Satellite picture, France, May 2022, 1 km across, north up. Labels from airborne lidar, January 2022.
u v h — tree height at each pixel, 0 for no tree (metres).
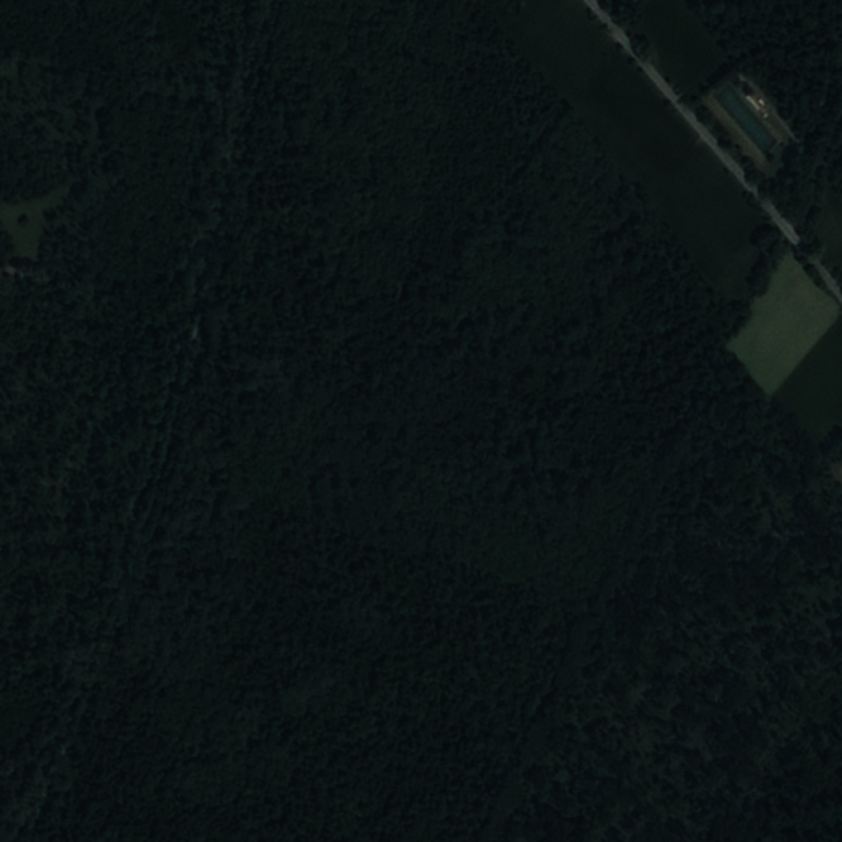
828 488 32
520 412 17
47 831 18
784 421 35
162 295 17
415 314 15
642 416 19
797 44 0
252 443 21
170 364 23
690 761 39
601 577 35
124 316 16
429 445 17
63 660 29
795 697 42
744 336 0
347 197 25
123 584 36
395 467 11
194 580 29
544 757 31
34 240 0
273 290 17
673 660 38
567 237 23
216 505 24
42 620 33
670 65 0
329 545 26
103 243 23
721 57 0
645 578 42
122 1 22
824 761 34
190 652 28
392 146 16
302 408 27
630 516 34
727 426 32
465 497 22
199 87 34
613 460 20
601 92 0
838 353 0
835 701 12
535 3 0
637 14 10
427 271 32
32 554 31
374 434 35
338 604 26
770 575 20
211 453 32
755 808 40
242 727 23
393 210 13
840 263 0
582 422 15
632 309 11
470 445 34
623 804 32
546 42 0
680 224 0
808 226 17
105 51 22
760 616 24
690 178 0
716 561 42
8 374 21
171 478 33
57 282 25
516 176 17
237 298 31
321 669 25
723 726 41
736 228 0
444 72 16
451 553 24
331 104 26
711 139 0
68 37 21
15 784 10
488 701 26
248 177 14
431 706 18
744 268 0
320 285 12
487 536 25
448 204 9
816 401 0
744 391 28
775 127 0
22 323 21
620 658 40
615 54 0
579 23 0
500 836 22
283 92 22
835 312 0
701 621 35
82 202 25
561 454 19
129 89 30
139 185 22
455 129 14
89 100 32
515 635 24
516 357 36
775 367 0
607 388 10
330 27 25
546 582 24
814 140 22
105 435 30
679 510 27
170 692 22
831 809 31
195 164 34
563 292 25
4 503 32
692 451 29
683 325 16
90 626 23
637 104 0
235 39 18
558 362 35
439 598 26
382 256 14
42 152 25
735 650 33
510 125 15
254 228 25
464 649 24
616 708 38
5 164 24
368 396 34
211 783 23
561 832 28
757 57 15
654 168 0
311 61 25
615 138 0
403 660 20
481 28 14
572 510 37
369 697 25
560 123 19
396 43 16
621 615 41
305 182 11
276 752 26
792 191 26
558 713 28
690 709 40
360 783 20
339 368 34
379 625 27
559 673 35
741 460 28
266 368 36
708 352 14
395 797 9
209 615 29
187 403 22
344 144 18
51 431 24
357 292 10
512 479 13
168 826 25
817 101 24
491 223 23
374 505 36
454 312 21
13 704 15
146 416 27
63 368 25
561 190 23
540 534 26
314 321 15
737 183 0
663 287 14
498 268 28
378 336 14
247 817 15
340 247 23
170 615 25
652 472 33
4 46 19
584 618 33
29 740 27
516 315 16
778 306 0
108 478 21
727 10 28
